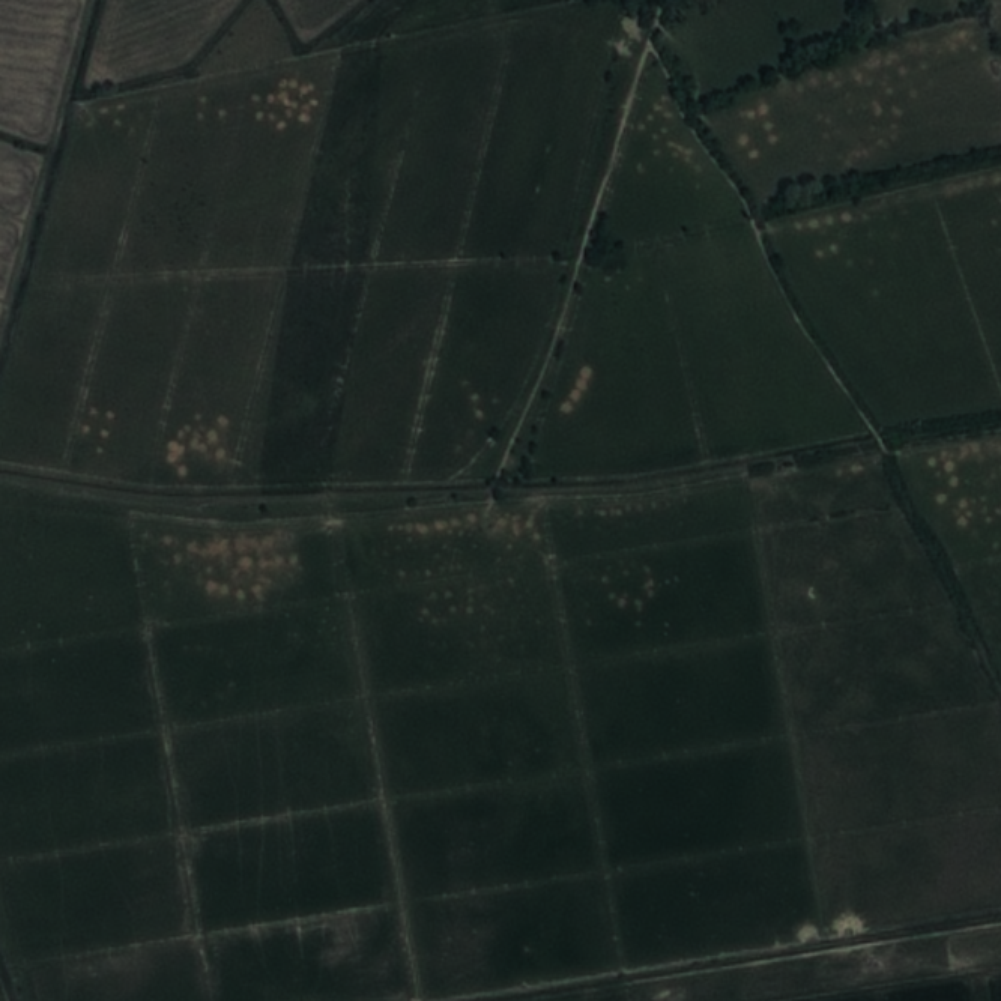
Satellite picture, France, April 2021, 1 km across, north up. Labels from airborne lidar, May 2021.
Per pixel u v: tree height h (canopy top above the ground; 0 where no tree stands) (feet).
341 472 0
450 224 0
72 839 0
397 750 0
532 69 0
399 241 0
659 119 0
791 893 0
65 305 0
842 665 0
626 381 0
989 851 0
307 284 0
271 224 0
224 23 0
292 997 0
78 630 0
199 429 0
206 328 0
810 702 0
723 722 0
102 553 0
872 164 0
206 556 0
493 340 0
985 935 0
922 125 0
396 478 0
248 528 0
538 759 0
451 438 0
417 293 0
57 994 0
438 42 0
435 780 0
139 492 0
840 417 0
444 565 0
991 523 0
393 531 0
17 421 0
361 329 0
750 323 0
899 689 0
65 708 0
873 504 0
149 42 0
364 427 0
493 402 0
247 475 0
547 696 0
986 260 0
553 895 0
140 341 0
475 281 0
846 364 0
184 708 0
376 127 0
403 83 0
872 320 0
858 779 0
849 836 0
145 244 0
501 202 0
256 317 0
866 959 0
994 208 0
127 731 0
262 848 0
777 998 0
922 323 0
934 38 0
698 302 0
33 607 0
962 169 30
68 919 0
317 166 0
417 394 0
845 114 0
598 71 0
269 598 0
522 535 0
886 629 0
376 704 0
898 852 0
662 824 0
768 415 0
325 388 0
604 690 0
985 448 0
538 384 0
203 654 0
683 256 0
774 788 0
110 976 0
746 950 0
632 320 0
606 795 0
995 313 0
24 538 0
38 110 0
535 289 0
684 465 0
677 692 0
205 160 0
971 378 0
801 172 0
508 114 0
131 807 0
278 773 0
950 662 0
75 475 0
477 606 0
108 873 0
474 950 0
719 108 28
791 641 0
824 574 0
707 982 0
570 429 0
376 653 0
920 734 0
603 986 0
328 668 0
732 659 0
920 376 0
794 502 0
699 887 0
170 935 0
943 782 0
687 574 0
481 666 0
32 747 0
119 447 0
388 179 0
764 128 0
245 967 0
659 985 0
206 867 0
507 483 31
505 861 0
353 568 0
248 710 0
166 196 0
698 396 0
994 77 0
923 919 0
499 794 0
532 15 0
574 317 0
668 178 0
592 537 0
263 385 0
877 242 0
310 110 0
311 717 0
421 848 0
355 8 0
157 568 0
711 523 0
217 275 0
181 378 0
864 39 33
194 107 0
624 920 0
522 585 0
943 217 0
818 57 54
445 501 0
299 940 0
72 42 0
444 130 0
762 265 0
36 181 0
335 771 0
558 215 0
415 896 0
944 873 0
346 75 0
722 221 0
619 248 31
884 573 0
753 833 0
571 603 0
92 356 0
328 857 0
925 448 0
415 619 0
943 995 0
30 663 0
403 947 0
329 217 0
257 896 0
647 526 0
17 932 0
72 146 0
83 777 0
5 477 0
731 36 0
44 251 0
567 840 0
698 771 0
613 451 0
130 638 0
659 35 42
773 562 0
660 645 0
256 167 0
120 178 0
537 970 0
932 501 0
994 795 0
